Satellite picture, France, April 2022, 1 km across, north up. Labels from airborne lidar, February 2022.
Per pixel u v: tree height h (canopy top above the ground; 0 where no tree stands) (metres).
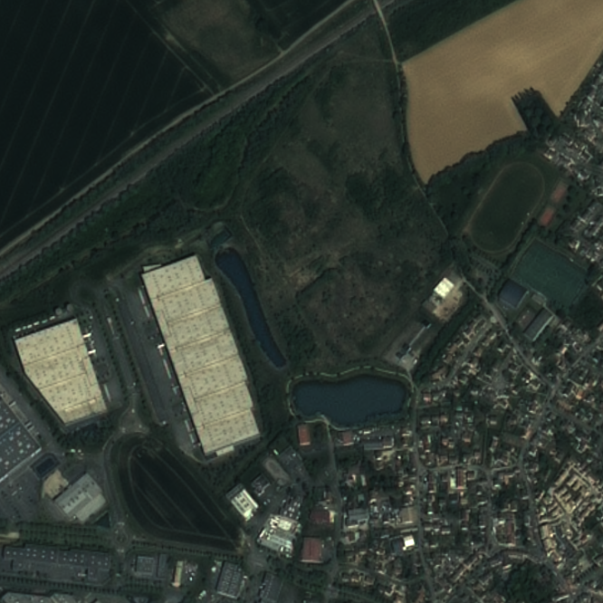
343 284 0
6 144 0
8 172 0
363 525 0
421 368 6
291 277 0
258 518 0
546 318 0
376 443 0
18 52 0
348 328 0
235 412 0
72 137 0
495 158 18
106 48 0
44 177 0
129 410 0
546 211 0
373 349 0
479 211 0
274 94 9
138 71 0
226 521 0
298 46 0
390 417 15
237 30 0
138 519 0
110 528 0
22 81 0
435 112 0
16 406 0
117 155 0
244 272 0
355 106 0
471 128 0
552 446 0
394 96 10
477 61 0
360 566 0
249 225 0
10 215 0
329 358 0
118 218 7
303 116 0
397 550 0
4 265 0
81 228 12
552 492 0
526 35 0
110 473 0
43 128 0
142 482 0
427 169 0
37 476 0
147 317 0
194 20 0
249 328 0
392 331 0
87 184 0
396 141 0
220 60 0
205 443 0
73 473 0
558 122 15
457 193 0
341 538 0
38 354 0
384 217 0
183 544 0
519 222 0
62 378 0
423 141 0
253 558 0
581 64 0
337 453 8
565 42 0
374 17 6
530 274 0
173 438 0
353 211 0
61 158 0
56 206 0
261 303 0
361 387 0
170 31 0
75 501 0
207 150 18
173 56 0
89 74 0
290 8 0
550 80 0
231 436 0
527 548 13
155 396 0
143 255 0
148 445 0
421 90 0
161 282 0
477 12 10
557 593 7
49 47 0
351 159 0
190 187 16
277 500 0
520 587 12
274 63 0
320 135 0
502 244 0
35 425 0
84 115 0
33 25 0
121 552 0
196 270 0
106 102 0
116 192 0
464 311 9
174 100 0
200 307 0
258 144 20
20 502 0
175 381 0
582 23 0
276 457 6
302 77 10
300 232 0
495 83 0
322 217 0
